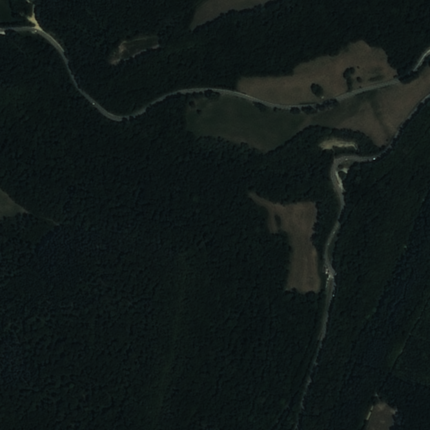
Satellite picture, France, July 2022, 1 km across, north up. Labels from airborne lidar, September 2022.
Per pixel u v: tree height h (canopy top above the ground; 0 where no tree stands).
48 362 20
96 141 17
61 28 10
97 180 26
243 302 28
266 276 26
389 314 14
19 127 31
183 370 25
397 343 9
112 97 25
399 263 28
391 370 11
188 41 17
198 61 25
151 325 20
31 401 25
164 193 27
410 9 25
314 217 0
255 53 20
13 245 22
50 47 19
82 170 26
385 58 0
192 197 33
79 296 16
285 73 21
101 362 26
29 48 19
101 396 17
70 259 30
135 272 23
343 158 0
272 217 0
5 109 23
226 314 26
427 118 21
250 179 23
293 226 0
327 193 17
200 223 28
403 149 19
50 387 25
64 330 24
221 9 0
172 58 26
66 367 24
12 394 27
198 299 24
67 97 24
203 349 28
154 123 17
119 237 21
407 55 18
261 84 0
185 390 24
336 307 22
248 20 24
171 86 19
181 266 13
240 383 22
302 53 23
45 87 23
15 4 22
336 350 26
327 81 0
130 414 21
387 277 25
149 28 24
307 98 0
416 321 7
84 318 21
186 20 18
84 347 26
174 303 16
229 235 26
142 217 36
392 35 25
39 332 25
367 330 26
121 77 23
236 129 0
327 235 20
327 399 31
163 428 28
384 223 17
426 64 11
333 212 20
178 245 20
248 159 10
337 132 18
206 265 25
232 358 25
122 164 21
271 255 23
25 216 10
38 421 19
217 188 23
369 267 22
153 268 22
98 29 8
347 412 22
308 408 33
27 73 20
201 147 13
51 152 28
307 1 24
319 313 17
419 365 12
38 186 32
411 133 19
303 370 20
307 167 26
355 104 0
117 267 24
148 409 13
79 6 15
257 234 25
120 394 22
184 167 30
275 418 21
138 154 31
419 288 9
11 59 16
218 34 25
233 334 29
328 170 24
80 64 19
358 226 27
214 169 24
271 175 27
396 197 20
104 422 22
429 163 17
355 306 26
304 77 0
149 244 20
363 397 23
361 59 0
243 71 21
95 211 28
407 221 21
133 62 22
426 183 27
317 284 0
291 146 21
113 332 25
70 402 26
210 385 29
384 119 0
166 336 20
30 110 24
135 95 23
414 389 26
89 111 18
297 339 26
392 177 13
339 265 22
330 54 11
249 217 23
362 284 23
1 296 14
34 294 13
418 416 25
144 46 0
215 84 15
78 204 30
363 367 24
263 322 29
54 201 28
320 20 28
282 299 26
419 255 18
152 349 18
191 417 33
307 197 19
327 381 24
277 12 21
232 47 23
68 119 19
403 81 19
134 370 17
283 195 23
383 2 24
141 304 20
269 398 25
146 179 26
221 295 25
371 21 20
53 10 23
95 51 20
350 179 14
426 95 0
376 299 25
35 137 29
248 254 25
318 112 0
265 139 0
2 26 17
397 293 19
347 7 27
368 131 0
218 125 0
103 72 20
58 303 17
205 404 29
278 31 23
